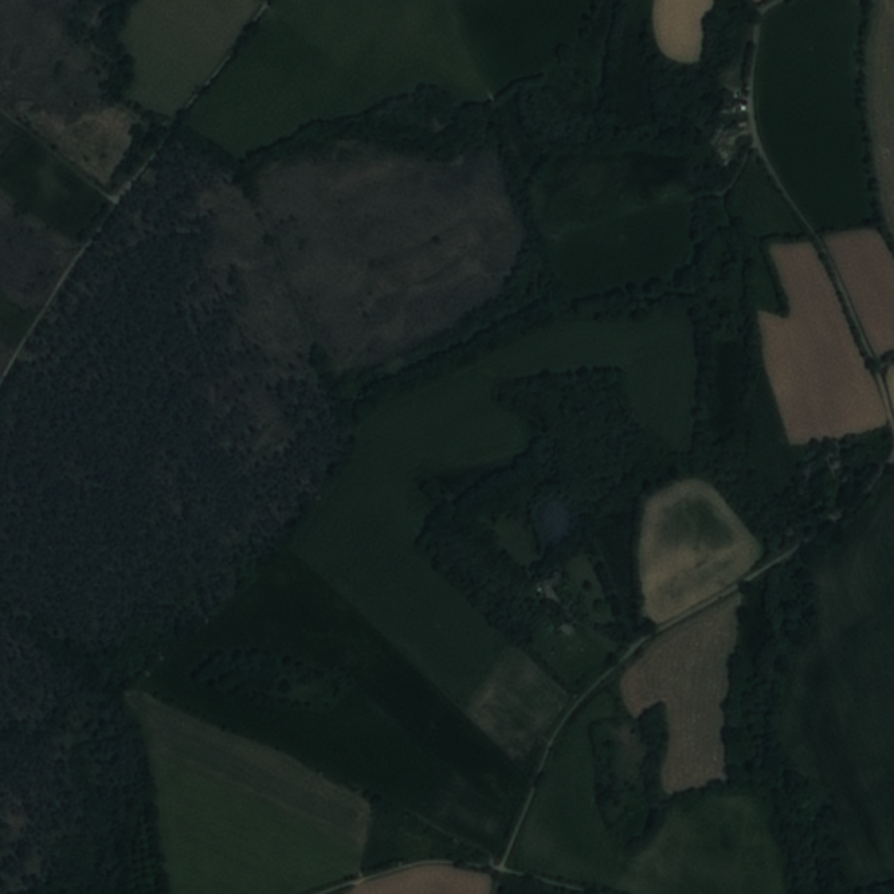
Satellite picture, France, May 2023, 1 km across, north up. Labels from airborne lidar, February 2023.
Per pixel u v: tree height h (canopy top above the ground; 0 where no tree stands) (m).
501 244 0
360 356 0
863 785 0
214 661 13
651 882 0
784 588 11
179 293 13
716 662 0
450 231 0
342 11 0
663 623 0
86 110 0
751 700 9
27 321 0
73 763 6
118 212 18
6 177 0
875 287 0
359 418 9
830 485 15
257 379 11
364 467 0
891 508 0
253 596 0
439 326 0
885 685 0
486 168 0
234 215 0
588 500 8
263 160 14
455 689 0
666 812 12
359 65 0
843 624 0
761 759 10
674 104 11
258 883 0
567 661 0
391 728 0
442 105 16
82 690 20
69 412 11
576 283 0
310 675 7
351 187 0
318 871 0
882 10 0
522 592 11
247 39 12
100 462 18
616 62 8
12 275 0
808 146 0
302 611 0
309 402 19
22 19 0
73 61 0
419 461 0
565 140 10
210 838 0
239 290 11
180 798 0
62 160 0
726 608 0
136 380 13
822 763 0
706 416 10
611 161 0
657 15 0
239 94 0
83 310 11
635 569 7
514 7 0
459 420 0
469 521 18
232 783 0
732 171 11
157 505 19
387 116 12
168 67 0
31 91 0
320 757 0
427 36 0
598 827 0
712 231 12
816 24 0
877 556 0
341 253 0
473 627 0
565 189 0
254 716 0
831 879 14
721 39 10
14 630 15
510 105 0
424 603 0
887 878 0
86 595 18
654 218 0
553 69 0
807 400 0
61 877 9
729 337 8
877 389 0
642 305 16
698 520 0
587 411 11
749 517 6
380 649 0
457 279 0
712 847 0
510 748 0
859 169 0
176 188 18
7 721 11
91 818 8
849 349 0
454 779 0
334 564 0
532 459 17
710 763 0
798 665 0
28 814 19
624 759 0
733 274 9
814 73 0
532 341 0
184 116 13
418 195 0
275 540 15
